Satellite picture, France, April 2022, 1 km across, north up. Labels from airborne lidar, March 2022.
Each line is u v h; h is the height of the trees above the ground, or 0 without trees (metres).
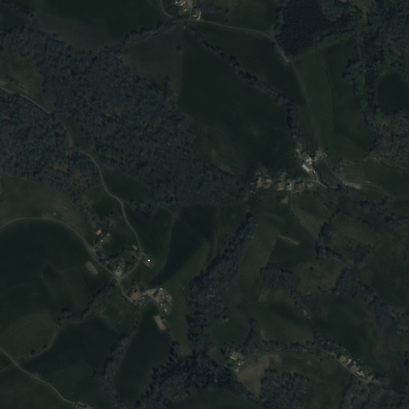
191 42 0
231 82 0
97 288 0
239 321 0
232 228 0
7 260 0
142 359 0
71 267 0
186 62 0
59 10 0
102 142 20
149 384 0
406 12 27
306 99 0
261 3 0
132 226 0
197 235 0
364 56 7
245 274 0
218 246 0
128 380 0
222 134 0
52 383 0
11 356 0
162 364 0
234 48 0
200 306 24
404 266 0
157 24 0
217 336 0
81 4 0
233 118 0
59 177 10
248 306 0
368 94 7
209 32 0
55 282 0
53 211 0
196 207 0
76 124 0
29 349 0
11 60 0
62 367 0
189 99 0
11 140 16
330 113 0
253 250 0
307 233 0
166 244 0
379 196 0
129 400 0
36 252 0
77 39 0
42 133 26
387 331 0
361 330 0
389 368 0
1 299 0
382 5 21
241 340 0
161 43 0
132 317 0
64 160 14
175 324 0
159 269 0
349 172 0
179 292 0
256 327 23
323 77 0
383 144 25
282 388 6
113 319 0
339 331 0
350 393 19
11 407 0
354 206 0
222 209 7
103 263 18
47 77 17
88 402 0
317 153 0
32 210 0
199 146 0
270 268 14
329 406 0
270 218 0
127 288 0
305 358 0
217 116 0
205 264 0
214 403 0
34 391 0
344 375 0
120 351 20
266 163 0
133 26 0
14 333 0
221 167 0
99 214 0
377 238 0
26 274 0
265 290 0
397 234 0
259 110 0
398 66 26
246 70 0
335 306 0
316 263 0
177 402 0
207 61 0
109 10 0
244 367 0
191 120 0
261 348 23
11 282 0
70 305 0
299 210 0
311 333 0
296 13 19
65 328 0
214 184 29
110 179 0
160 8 0
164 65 0
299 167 0
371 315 0
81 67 25
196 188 20
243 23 0
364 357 0
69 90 8
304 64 0
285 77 0
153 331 0
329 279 0
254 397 25
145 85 27
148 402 25
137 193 0
